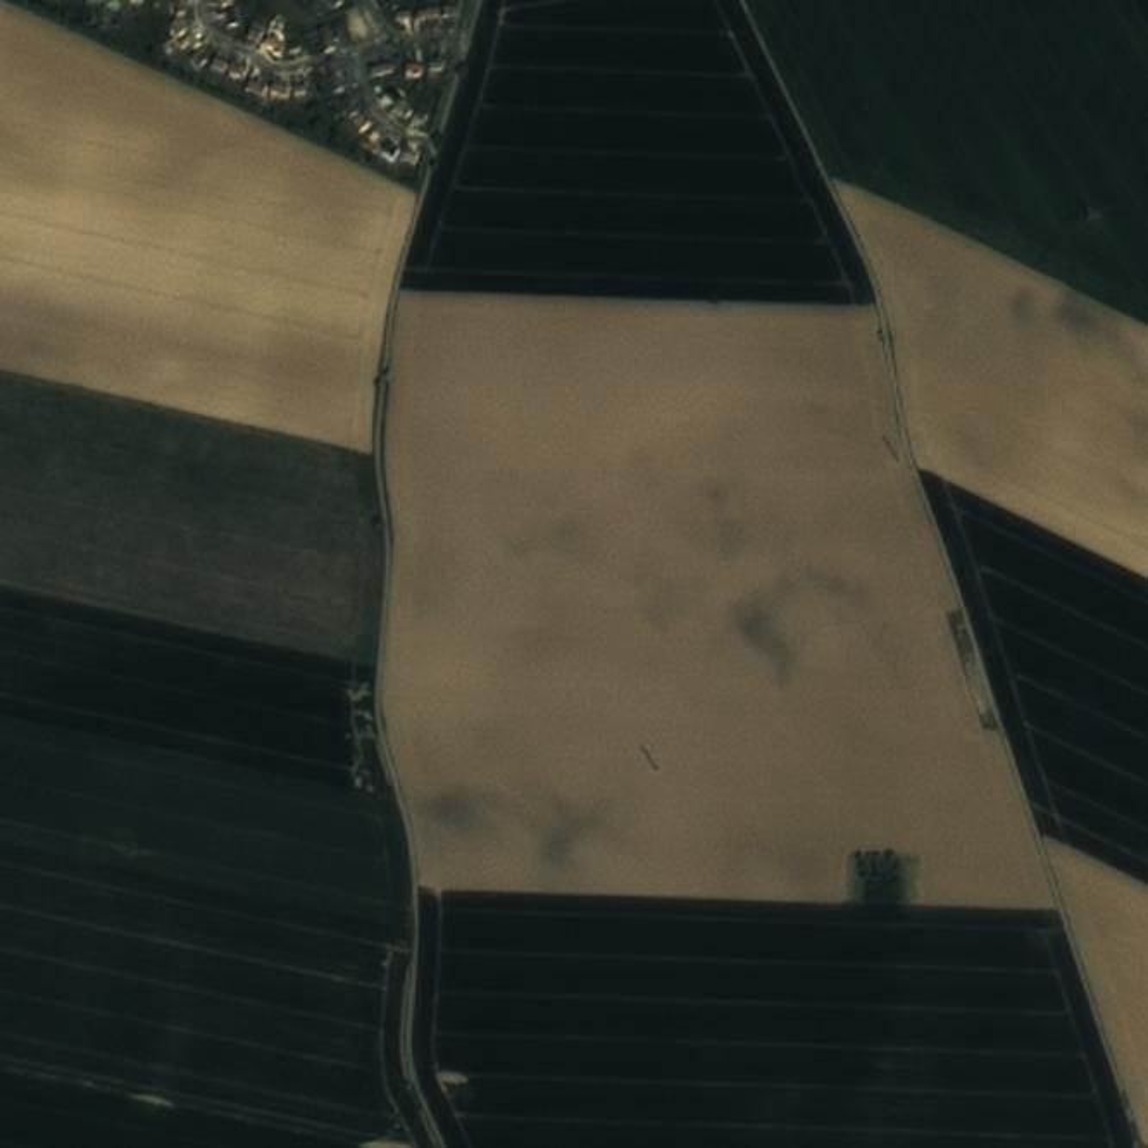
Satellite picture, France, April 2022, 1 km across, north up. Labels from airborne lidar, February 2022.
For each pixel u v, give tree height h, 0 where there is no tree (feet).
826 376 0
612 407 0
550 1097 0
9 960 0
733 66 0
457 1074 0
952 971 0
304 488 0
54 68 0
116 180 0
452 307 0
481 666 0
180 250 0
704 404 0
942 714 0
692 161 0
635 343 0
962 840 0
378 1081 0
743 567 0
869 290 0
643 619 0
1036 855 0
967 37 0
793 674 0
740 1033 0
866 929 0
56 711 0
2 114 0
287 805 0
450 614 0
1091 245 0
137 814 0
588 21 0
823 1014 0
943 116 0
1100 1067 0
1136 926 0
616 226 0
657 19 0
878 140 0
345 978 0
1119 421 0
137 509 0
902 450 0
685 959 0
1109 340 0
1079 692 0
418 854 0
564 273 0
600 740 0
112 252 0
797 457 0
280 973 0
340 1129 0
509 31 0
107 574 0
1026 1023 0
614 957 0
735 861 0
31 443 0
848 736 0
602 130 0
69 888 0
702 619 0
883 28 0
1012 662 0
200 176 0
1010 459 0
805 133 0
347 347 0
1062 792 0
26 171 0
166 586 0
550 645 0
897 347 0
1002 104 0
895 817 0
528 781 0
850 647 0
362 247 0
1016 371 0
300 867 0
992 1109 0
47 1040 0
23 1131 0
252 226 0
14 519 0
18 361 0
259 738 0
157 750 0
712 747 0
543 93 0
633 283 0
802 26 0
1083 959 0
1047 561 0
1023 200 0
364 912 0
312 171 0
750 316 0
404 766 0
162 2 0
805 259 0
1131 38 0
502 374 0
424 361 0
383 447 0
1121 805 0
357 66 0
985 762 0
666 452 0
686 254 0
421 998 0
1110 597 0
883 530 0
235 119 0
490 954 0
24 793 0
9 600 0
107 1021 0
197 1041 0
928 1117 0
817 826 0
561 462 0
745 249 0
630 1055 0
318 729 0
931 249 0
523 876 0
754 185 0
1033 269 0
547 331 0
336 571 0
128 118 0
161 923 0
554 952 0
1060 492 0
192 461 0
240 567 0
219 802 0
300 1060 0
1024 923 0
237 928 0
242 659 0
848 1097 0
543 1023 0
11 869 0
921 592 0
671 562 0
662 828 0
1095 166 0
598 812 0
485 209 0
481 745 0
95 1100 0
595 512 0
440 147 32
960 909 0
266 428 0
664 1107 0
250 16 0
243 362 0
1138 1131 0
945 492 0
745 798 0
